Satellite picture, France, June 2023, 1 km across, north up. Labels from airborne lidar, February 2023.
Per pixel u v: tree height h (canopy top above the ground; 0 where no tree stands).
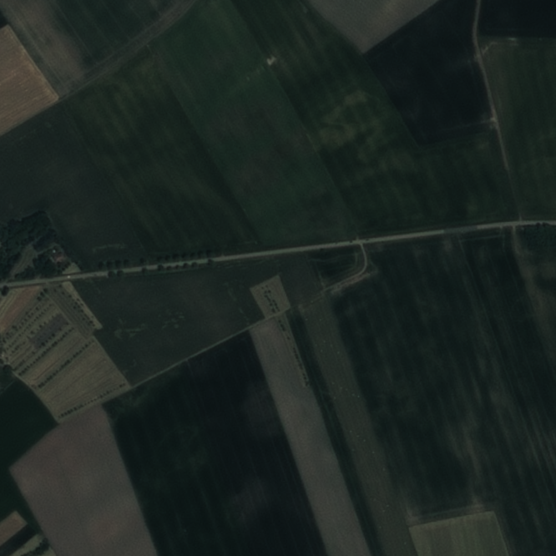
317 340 0
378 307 0
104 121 0
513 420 0
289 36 0
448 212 0
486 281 0
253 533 0
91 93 0
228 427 0
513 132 0
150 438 0
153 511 0
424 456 0
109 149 0
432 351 0
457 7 0
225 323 0
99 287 0
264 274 0
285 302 0
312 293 0
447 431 0
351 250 0
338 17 0
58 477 0
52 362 0
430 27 0
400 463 0
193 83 0
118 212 0
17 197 0
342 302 0
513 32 0
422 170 0
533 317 0
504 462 0
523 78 0
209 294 0
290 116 0
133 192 0
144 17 0
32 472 0
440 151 0
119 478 0
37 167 0
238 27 0
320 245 0
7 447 0
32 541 0
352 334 0
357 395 0
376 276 0
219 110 0
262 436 0
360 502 0
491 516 0
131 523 0
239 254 0
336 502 0
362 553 0
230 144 0
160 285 0
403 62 0
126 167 0
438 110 0
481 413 0
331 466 0
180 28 0
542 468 0
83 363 0
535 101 0
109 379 0
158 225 0
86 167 0
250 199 0
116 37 0
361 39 0
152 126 0
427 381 0
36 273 7
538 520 0
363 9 0
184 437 0
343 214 0
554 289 0
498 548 0
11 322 0
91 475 0
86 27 0
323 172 0
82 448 0
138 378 0
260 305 0
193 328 0
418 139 0
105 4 0
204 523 0
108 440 0
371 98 0
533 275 0
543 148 0
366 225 0
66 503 0
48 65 0
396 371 0
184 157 0
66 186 0
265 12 0
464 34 0
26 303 0
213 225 0
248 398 0
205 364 0
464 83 0
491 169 0
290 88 0
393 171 0
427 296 0
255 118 0
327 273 0
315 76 0
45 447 0
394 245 0
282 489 0
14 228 23
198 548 0
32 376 0
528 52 0
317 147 0
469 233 0
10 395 0
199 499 0
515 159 0
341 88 0
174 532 0
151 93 0
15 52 0
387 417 0
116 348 0
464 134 0
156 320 0
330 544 0
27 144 0
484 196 0
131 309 0
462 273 0
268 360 0
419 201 0
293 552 0
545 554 0
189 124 0
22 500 0
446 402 0
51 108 0
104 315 0
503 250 0
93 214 0
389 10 0
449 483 0
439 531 0
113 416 0
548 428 0
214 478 0
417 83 0
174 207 0
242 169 0
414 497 0
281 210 0
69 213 0
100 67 0
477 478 0
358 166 0
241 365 0
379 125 0
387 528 0
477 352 0
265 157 0
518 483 0
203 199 0
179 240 0
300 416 0
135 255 0
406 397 0
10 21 0
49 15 0
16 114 0
